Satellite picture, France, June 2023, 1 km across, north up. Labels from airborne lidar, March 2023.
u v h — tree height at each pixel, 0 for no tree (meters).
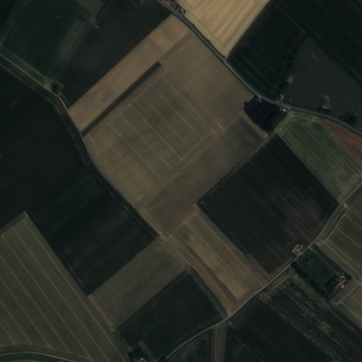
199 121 0
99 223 0
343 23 0
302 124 0
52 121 0
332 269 0
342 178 0
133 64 0
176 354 0
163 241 0
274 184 0
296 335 0
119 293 0
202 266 0
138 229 0
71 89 0
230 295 0
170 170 0
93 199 0
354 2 0
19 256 0
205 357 0
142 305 0
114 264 0
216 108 0
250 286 0
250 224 0
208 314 0
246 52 0
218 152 0
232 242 0
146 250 0
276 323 0
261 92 0
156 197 0
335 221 0
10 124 0
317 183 0
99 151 0
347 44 0
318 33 0
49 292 0
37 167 0
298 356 0
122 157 0
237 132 0
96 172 0
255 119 26
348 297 0
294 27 0
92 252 0
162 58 0
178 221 0
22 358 0
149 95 0
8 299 0
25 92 0
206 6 0
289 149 0
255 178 0
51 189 0
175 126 0
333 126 0
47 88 0
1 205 0
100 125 0
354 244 0
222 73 0
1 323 0
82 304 0
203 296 0
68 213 0
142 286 0
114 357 0
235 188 0
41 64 0
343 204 0
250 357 0
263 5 0
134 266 0
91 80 0
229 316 0
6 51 0
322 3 0
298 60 0
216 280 0
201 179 0
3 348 0
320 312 0
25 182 0
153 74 0
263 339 0
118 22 0
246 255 0
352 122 9
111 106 0
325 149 0
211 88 0
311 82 0
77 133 0
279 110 23
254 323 0
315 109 0
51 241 0
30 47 0
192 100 0
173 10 0
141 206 0
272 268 0
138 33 0
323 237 0
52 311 0
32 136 0
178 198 0
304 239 0
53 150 0
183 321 0
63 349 0
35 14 0
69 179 0
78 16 0
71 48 0
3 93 0
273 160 0
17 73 0
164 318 0
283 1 0
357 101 0
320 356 0
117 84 0
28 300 0
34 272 0
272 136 0
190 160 0
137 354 12
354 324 0
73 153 0
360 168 0
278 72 0
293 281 0
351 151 0
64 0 0
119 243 0
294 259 0
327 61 0
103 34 0
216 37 0
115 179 0
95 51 0
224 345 0
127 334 0
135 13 0
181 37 0
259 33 0
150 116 0
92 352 0
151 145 0
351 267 0
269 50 0
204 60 0
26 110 0
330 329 0
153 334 0
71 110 0
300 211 0
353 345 0
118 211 0
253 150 0
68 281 0
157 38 0
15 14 0
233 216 0
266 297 0
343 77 0
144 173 0
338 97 0
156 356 0
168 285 0
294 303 0
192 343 0
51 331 0
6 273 0
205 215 0
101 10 0
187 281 0
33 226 0
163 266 0
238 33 0
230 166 0
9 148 0
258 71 0
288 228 0
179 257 0
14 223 0
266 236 0
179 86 0
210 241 0
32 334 0
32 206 0
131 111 0
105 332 0
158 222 0
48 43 0
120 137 0
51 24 0
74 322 0
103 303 0
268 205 0
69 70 0
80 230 0
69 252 0
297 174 0
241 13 0
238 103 0
